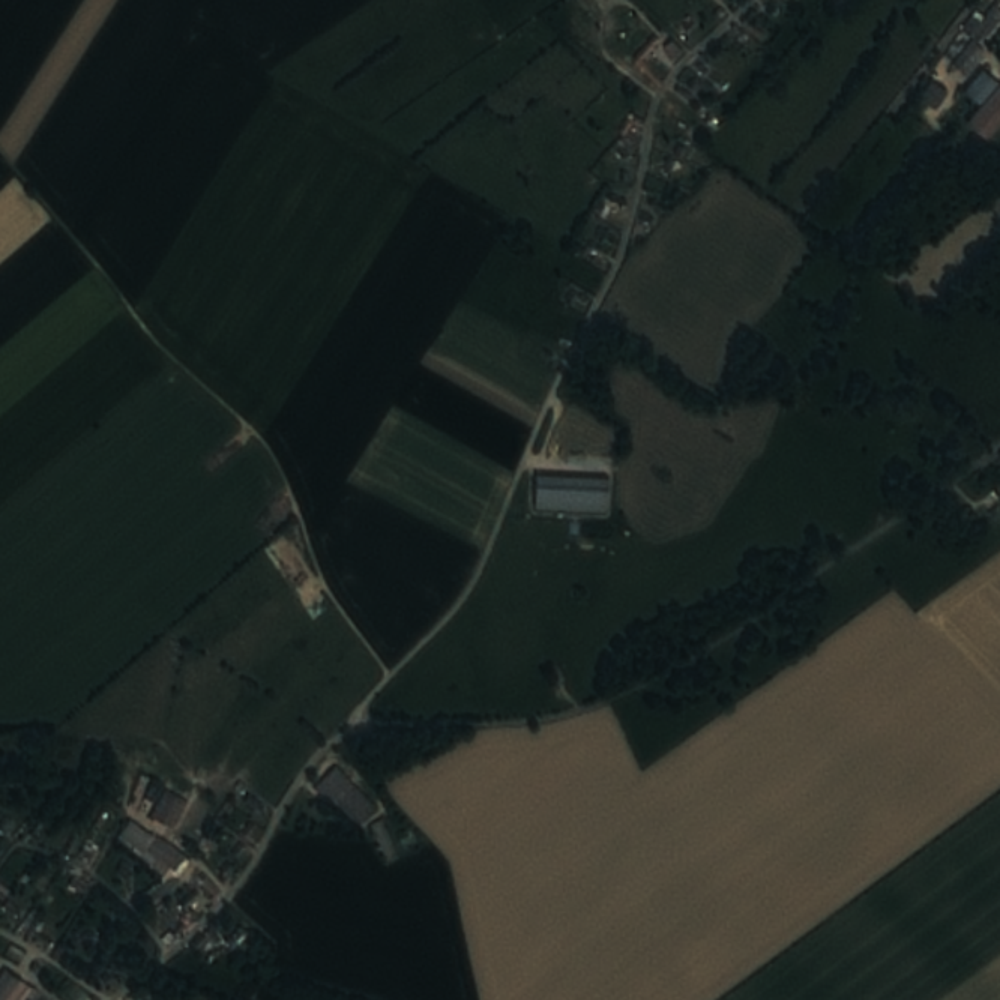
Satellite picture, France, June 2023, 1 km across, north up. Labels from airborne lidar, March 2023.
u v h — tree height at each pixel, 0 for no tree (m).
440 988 0
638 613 0
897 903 0
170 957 0
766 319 0
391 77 0
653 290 0
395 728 21
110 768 13
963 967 0
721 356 0
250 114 0
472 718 10
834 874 0
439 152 0
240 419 0
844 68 0
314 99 0
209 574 0
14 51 0
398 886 0
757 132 0
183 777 0
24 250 0
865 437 0
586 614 0
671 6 0
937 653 0
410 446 0
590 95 0
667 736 0
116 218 0
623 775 0
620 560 0
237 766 0
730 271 0
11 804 7
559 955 0
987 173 29
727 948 0
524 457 0
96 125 0
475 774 0
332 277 0
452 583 0
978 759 0
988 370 0
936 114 0
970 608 0
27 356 0
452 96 0
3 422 0
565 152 0
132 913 17
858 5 23
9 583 0
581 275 0
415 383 0
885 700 0
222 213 0
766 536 0
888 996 0
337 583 0
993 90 0
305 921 0
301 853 0
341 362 0
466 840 0
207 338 0
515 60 0
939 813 0
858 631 0
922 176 28
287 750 0
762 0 0
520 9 0
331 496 0
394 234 0
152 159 0
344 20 0
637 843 0
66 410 0
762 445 0
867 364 0
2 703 0
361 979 0
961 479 0
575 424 0
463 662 0
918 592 0
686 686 21
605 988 0
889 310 0
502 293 0
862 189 0
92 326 0
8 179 0
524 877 0
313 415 0
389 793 10
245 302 0
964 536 19
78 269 0
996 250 28
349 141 0
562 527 0
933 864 0
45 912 7
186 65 0
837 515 0
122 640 0
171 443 0
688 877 0
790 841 0
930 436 0
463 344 0
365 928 0
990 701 0
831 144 0
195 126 0
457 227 0
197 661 0
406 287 0
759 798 0
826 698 0
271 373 0
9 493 0
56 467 0
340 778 0
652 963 0
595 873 0
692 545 0
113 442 0
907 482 28
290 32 0
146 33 0
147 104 0
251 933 8
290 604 0
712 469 0
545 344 0
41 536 0
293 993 19
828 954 0
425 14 0
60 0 0
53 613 0
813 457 0
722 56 0
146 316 0
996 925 0
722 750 0
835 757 0
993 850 0
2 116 0
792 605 24
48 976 9
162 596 0
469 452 0
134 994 14
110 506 0
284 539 0
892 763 0
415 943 0
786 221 0
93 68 0
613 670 21
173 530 0
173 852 0
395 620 0
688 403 21
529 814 0
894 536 0
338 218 0
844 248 24
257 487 0
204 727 0
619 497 0
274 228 0
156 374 0
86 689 0
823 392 0
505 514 0
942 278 0
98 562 0
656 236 0
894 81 0
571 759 0
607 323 24
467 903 0
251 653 0
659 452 0
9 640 0
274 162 0
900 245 22
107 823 0
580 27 0
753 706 0
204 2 0
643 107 0
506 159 0
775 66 14
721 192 0
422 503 0
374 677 0
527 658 0
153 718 0
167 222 0
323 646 0
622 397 0
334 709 0
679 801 0
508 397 0
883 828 0
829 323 23
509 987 0
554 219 0
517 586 0
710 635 6
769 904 0
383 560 0
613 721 0
